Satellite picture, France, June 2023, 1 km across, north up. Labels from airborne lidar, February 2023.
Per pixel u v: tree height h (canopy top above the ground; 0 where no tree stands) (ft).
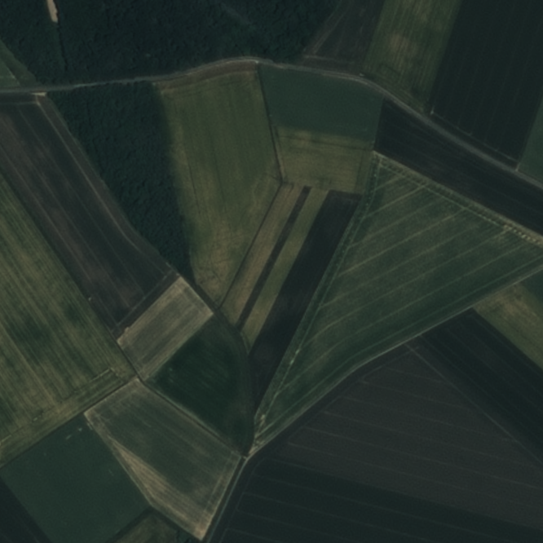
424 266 0
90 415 0
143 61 73
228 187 0
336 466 0
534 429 0
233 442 0
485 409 0
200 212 0
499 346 0
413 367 0
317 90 0
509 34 0
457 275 0
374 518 0
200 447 0
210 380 0
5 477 0
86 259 0
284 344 0
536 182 0
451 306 0
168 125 0
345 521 0
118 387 0
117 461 0
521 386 0
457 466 0
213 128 0
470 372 0
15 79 0
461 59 0
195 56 68
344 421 0
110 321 0
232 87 0
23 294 0
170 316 0
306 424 0
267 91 0
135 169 66
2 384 0
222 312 0
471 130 0
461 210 0
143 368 0
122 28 75
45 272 0
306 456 0
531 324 0
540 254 0
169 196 61
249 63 0
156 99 38
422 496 0
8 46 37
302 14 82
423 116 0
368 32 0
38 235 0
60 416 0
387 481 0
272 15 68
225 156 0
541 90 0
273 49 65
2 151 0
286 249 0
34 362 0
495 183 0
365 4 0
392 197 0
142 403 0
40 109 0
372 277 0
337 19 0
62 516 0
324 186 0
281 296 0
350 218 0
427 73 0
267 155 0
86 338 0
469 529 0
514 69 0
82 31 70
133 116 59
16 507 0
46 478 0
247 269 0
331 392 0
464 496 0
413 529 0
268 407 0
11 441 0
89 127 45
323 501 0
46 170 0
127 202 44
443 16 0
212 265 0
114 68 70
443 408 0
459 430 0
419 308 0
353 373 0
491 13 0
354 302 0
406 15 0
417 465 0
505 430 0
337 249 0
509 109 0
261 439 0
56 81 53
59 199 0
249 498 0
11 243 0
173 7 68
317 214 0
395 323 0
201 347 0
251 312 0
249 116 0
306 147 0
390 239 0
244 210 0
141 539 0
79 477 0
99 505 0
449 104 0
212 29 69
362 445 0
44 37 71
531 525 0
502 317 0
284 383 0
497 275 0
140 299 0
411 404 0
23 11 72
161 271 0
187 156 0
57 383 0
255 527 0
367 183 0
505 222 0
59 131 0
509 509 0
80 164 0
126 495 0
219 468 0
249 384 0
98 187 0
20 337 0
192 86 0
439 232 0
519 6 0
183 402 0
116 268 0
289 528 0
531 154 0
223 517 0
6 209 0
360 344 0
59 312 0
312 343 0
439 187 0
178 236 48
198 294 0
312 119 0
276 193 0
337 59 0
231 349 0
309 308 0
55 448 0
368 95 0
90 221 0
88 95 66
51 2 0
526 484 0
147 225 60
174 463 0
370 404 0
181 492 0
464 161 0
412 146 0
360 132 0
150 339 0
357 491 0
